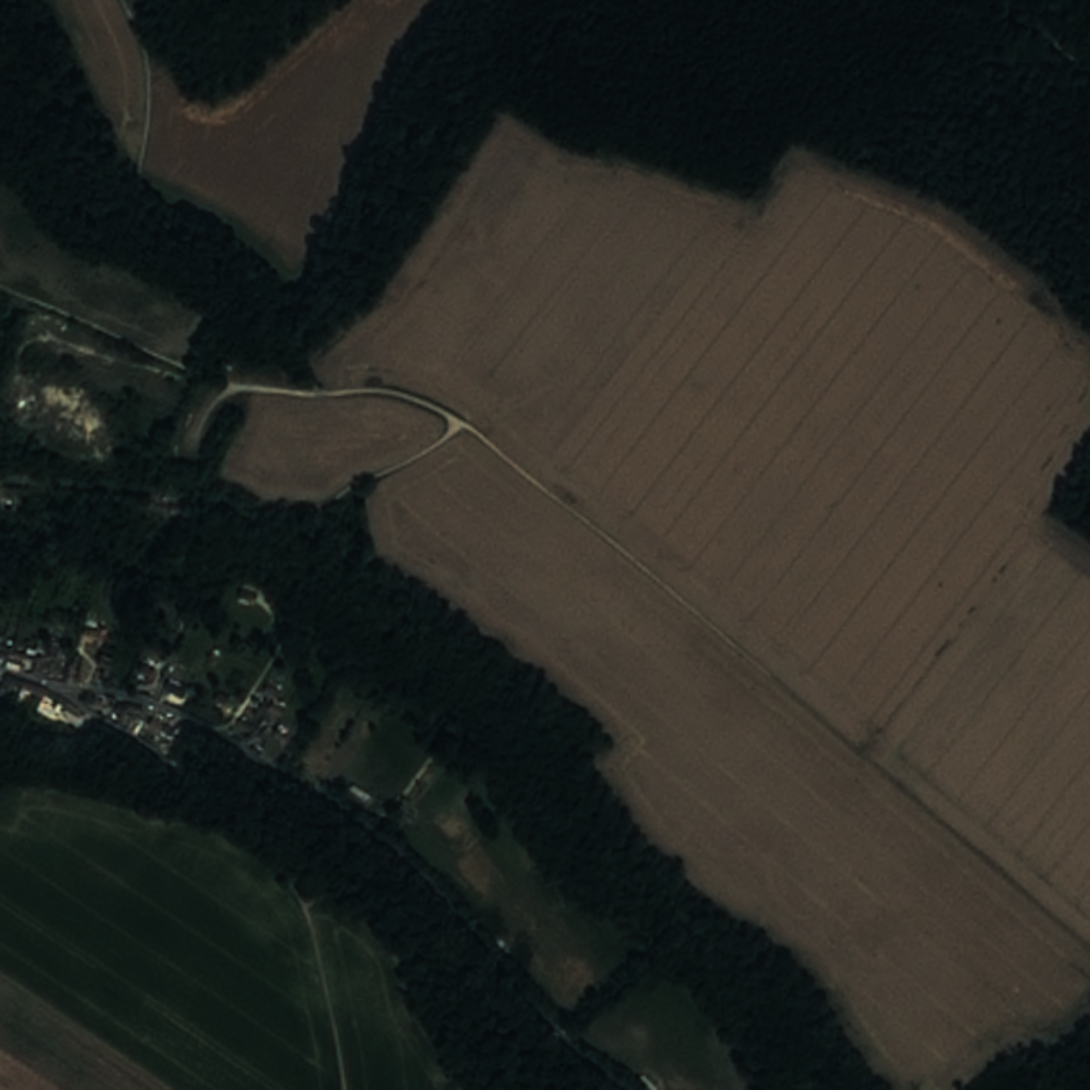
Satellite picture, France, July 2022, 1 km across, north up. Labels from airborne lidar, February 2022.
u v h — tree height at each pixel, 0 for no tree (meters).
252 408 0
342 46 0
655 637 0
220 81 19
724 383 0
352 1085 0
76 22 0
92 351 0
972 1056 0
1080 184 25
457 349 0
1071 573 0
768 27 20
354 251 8
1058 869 0
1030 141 19
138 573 14
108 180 25
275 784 21
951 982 0
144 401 12
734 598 0
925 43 19
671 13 22
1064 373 0
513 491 0
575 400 0
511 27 18
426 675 22
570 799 21
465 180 0
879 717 0
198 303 21
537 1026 21
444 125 21
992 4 22
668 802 0
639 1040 0
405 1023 0
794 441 0
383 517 0
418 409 0
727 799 0
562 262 0
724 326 0
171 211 8
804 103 20
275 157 0
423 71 28
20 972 0
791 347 0
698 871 0
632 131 20
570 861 22
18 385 0
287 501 8
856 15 23
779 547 0
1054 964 0
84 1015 0
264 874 0
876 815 0
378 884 21
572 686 0
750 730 0
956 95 20
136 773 10
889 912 0
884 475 0
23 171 23
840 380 0
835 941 0
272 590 28
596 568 0
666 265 0
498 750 27
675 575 0
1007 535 0
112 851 0
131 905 0
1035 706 0
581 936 0
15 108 25
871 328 0
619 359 0
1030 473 0
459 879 0
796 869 0
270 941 0
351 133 0
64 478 12
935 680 0
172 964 0
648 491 0
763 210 0
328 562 20
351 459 0
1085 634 0
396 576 18
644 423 0
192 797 21
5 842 0
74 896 0
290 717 0
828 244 0
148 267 20
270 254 0
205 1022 0
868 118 22
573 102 21
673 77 20
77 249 17
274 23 23
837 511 0
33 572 31
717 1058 0
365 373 0
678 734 0
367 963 0
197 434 0
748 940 20
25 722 12
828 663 0
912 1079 0
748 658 0
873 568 0
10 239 0
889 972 0
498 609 0
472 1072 20
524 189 0
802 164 0
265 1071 0
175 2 19
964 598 0
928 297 0
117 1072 0
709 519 0
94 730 15
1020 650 0
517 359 0
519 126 0
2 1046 0
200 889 0
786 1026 21
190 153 0
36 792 0
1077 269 25
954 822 0
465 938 23
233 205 0
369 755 0
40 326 0
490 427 0
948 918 0
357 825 24
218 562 22
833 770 0
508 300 0
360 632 21
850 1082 18
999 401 0
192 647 0
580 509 0
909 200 0
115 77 0
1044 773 0
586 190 0
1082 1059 19
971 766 0
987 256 0
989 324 0
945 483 0
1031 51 25
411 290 0
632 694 0
